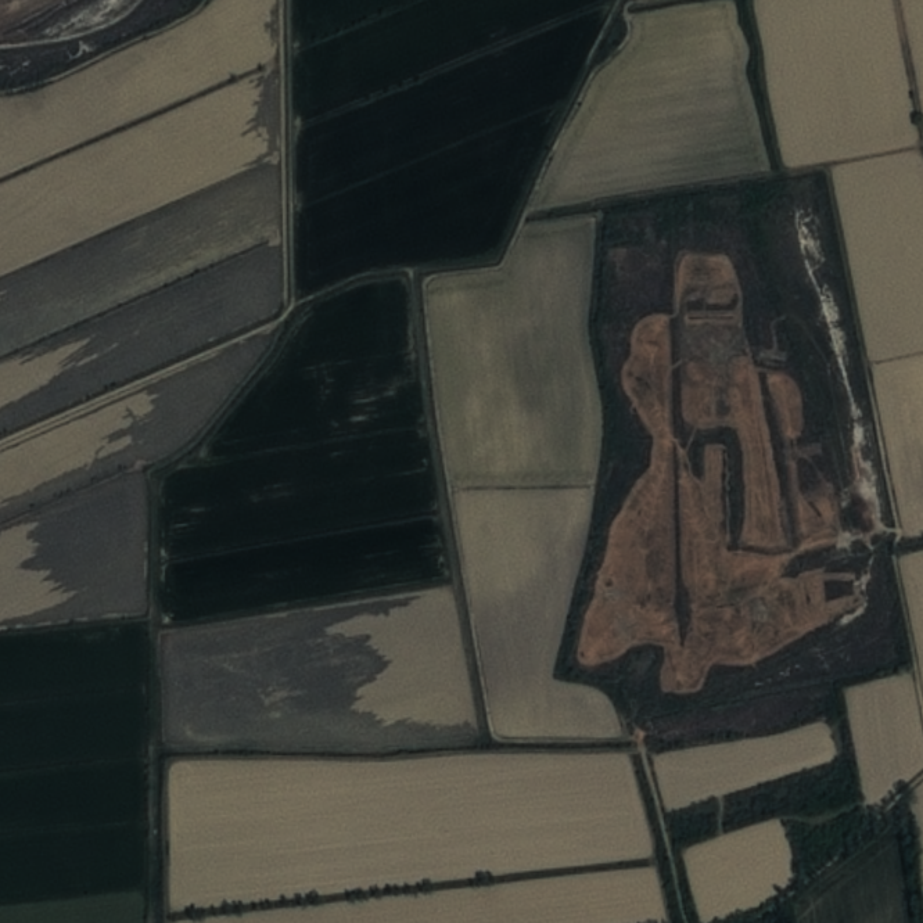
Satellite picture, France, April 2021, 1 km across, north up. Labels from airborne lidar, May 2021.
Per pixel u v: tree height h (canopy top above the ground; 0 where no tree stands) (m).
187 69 0
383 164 0
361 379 0
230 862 0
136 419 0
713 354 0
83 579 0
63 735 0
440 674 0
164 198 0
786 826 12
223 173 0
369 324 0
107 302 0
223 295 0
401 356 0
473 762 0
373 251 0
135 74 0
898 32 0
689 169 0
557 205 0
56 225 0
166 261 0
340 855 0
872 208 0
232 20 0
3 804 0
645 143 0
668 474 0
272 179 0
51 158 0
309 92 0
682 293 0
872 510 0
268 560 0
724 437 0
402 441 0
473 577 0
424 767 0
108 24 0
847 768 5
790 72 0
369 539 0
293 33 0
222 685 0
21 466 0
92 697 0
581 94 0
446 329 0
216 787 0
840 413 0
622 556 0
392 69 0
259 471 0
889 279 0
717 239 0
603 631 0
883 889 0
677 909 7
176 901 0
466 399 0
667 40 0
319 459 0
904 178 0
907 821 12
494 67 0
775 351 0
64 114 0
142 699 0
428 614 0
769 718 0
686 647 0
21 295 0
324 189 0
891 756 0
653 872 0
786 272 0
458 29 0
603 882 0
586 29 0
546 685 0
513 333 0
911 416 0
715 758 0
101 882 0
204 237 0
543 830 0
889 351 0
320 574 0
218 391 0
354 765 0
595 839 0
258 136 0
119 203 0
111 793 0
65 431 0
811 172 0
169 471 0
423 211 0
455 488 0
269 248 0
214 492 0
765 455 0
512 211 0
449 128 0
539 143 0
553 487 0
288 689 0
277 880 0
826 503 0
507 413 0
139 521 0
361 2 0
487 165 0
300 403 0
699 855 0
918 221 0
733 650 0
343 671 0
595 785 0
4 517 0
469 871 0
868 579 0
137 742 0
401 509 0
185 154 0
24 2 0
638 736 0
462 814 0
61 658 0
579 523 0
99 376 0
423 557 0
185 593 0
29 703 0
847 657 0
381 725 0
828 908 0
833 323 0
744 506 0
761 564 0
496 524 0
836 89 0
